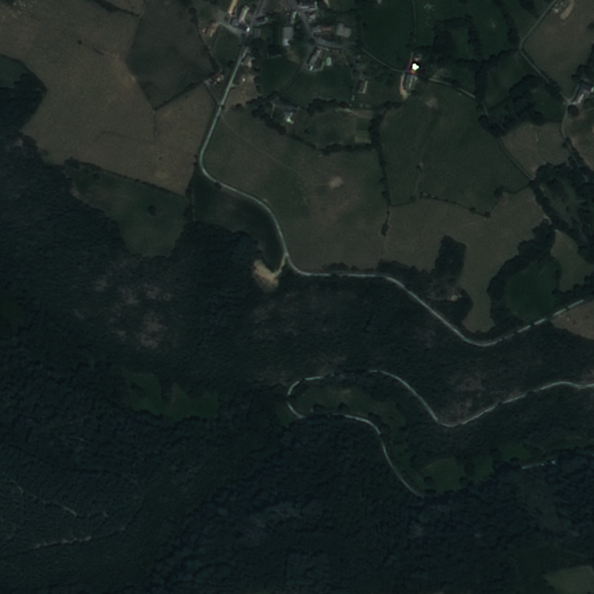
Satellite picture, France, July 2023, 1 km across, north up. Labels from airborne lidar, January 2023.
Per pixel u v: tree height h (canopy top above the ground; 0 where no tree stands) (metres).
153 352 8
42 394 24
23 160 10
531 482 24
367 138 0
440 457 20
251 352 14
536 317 0
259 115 8
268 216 0
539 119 19
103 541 21
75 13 0
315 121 0
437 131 0
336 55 0
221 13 0
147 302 9
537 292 0
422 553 27
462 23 7
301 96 0
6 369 25
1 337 11
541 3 0
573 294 13
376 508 17
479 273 0
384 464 7
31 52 0
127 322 9
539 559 0
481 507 25
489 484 7
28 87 10
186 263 7
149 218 0
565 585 0
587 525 22
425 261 0
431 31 0
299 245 0
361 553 17
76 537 13
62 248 12
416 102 0
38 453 21
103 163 0
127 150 0
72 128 0
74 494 23
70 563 16
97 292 7
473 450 16
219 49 0
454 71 0
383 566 11
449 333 12
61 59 0
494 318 7
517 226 0
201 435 20
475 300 0
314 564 33
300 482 22
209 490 16
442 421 0
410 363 14
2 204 9
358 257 0
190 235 11
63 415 23
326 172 0
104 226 20
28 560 17
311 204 0
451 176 0
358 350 14
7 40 0
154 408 0
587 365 8
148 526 19
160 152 0
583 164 10
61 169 8
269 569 16
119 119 0
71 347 22
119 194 0
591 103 9
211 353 5
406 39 0
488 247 0
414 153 0
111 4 8
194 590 22
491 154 0
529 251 20
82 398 24
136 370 18
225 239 10
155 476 20
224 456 15
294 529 11
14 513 20
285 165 0
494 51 0
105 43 0
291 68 0
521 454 0
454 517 22
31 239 7
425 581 24
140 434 24
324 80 0
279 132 7
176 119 0
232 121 0
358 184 0
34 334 22
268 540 21
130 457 21
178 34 0
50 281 8
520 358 7
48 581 23
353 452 26
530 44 0
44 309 12
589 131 0
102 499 25
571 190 0
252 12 0
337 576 12
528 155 0
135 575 18
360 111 0
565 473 13
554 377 16
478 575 17
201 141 0
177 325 7
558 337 14
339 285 12
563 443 17
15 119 11
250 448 8
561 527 24
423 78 10
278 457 19
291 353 10
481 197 0
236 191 0
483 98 18
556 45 0
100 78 0
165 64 0
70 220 18
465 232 0
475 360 10
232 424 24
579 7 0
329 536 24
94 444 26
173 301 8
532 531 28
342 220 0
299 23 8
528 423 9
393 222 0
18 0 0
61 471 26
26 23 0
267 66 0
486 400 8
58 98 0
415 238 0
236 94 0
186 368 13
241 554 19
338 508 22
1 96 15
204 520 23
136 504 18
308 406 0
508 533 23
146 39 0
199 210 0
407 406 19
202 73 0
